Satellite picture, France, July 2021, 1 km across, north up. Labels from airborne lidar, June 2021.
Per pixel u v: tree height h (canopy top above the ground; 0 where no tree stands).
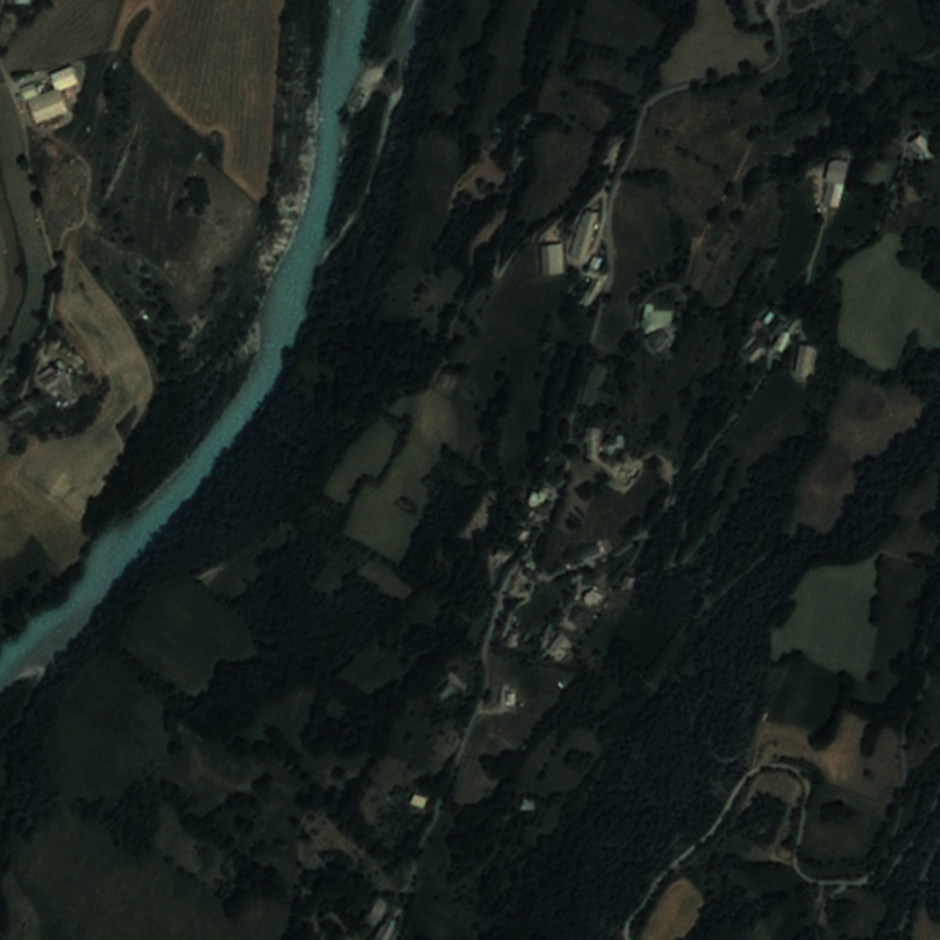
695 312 7
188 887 0
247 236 0
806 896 7
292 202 0
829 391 7
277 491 14
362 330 17
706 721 15
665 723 14
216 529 14
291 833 0
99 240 0
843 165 0
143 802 9
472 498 14
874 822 0
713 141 0
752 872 11
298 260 0
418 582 6
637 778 7
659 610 7
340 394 15
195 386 11
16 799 11
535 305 0
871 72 0
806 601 0
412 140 6
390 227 14
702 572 13
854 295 0
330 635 12
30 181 9
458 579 8
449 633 15
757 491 14
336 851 8
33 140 0
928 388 11
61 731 0
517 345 0
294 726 0
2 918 19
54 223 0
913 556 9
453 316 7
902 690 11
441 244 7
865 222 0
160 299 6
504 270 0
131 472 19
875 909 0
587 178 11
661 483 9
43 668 0
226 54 0
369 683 0
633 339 14
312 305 10
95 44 0
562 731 9
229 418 0
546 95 0
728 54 0
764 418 0
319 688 9
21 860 0
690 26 9
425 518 7
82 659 14
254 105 0
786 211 7
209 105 0
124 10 0
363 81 0
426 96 14
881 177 0
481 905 7
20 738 18
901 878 9
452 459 10
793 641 0
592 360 7
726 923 10
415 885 10
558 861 15
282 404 10
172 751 12
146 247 0
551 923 16
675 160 0
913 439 16
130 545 0
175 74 0
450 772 8
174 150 0
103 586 0
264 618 16
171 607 0
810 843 0
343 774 12
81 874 0
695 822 11
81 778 0
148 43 0
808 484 0
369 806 0
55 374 0
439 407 0
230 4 0
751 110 0
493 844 12
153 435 20
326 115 0
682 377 0
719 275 0
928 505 0
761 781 0
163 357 13
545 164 0
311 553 9
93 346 0
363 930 8
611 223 0
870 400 0
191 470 0
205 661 0
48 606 17
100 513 11
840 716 9
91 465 0
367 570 0
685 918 0
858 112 14
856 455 0
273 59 0
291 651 14
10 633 22
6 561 0
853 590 0
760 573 11
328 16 9
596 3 0
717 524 0
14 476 0
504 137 10
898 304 0
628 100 6
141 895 0
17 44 0
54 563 0
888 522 18
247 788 0
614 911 6
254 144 0
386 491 0
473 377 0
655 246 0
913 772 7
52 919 0
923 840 9
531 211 0
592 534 0
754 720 7
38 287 0
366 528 0
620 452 6
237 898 16
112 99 11
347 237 9
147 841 7
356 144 9
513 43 0
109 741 0
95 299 0
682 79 0
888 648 0
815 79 9
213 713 19
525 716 0
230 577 0
